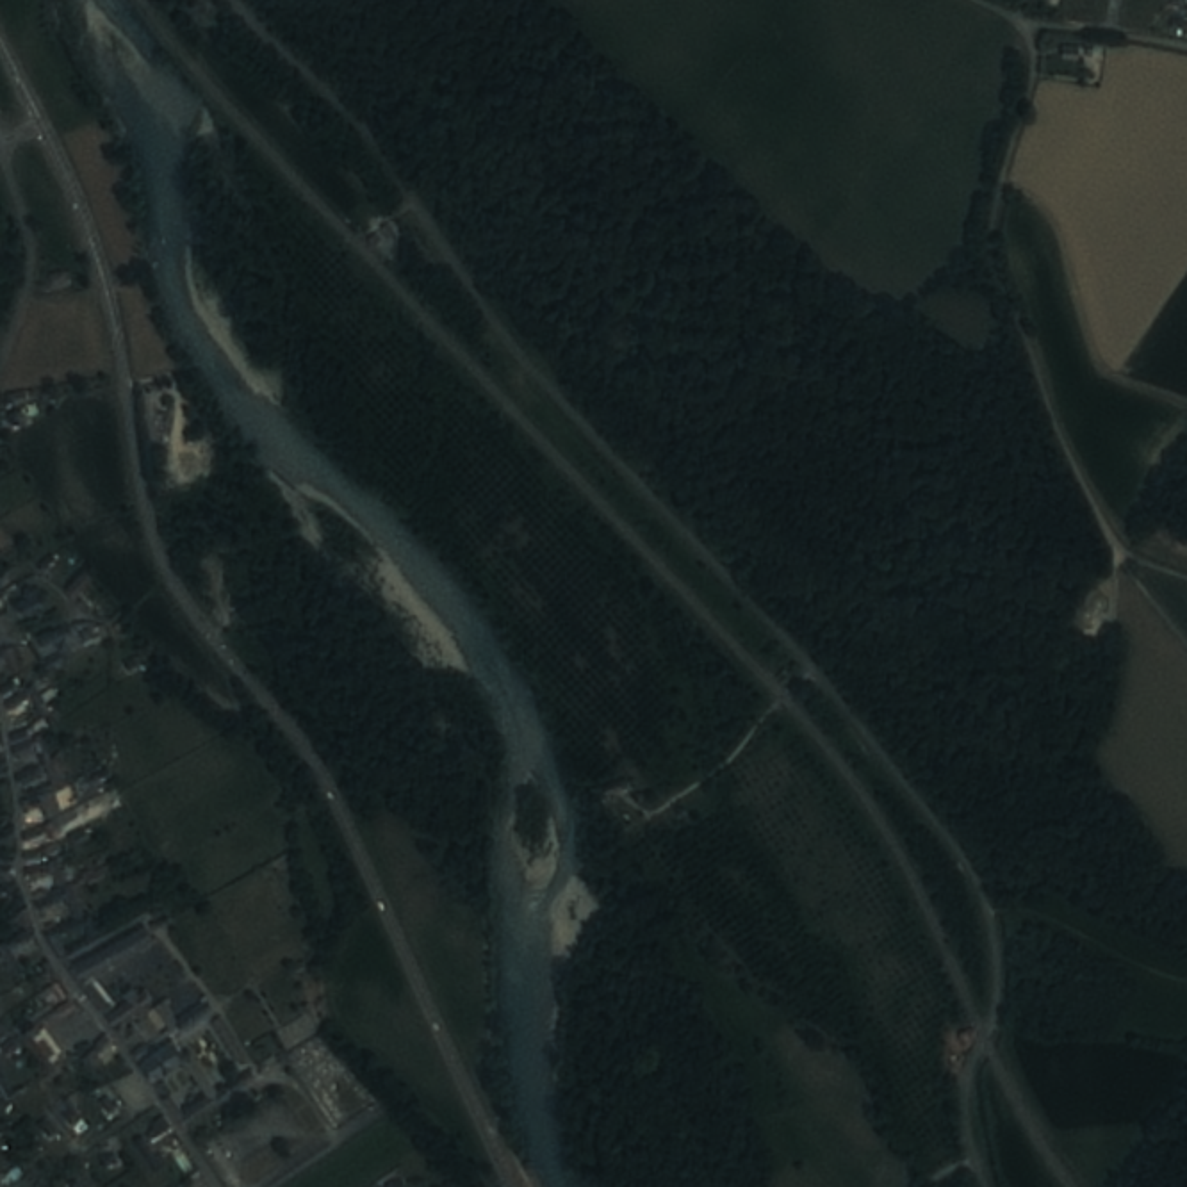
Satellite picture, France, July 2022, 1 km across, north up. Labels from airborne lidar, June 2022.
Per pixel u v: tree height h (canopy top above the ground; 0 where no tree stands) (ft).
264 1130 0
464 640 0
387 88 79
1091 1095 0
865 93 0
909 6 0
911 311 65
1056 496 81
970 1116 0
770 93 0
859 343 75
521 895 0
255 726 45
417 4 115
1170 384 0
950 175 0
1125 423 0
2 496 0
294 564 24
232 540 84
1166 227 0
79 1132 0
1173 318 0
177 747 0
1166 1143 78
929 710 79
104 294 0
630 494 0
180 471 0
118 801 0
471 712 27
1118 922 53
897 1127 28
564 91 82
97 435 0
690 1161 61
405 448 24
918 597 65
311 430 22
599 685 25
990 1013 0
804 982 22
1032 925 31
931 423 74
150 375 0
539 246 109
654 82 0
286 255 21
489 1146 0
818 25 0
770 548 90
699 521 63
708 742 40
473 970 0
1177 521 70
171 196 0
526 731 0
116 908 45
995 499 75
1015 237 0
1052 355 0
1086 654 94
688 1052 83
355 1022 0
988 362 42
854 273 0
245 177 47
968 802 59
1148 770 0
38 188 0
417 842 0
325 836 55
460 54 111
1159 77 0
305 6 82
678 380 132
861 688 87
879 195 0
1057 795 80
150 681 52
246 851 0
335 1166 0
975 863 46
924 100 0
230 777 0
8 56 0
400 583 0
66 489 0
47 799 0
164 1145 0
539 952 0
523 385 0
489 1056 69
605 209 132
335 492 0
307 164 0
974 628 90
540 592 26
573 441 0
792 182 0
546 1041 0
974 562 105
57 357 0
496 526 23
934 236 0
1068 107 0
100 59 0
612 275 111
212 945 0
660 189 97
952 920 26
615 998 76
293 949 0
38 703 0
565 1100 62
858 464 75
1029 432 33
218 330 0
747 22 0
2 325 63
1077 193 0
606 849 85
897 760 52
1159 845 78
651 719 19
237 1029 0
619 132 122
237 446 75
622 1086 73
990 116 0
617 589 23
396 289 0
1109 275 0
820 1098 0
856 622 101
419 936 0
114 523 0
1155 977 0
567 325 88
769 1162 47
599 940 49
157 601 0
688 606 0
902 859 0
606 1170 74
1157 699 0
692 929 25
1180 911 89
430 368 52
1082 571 115
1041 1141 0
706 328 84
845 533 80
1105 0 0
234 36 71
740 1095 80
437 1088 0
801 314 83
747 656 0
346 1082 0
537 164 117
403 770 70
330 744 64
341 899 48
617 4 0
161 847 0
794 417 82
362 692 96
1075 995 31
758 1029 0
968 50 0
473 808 75
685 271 92
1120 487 0
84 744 28
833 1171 0
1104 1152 0
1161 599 0
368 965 0
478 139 94
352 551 20
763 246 81
